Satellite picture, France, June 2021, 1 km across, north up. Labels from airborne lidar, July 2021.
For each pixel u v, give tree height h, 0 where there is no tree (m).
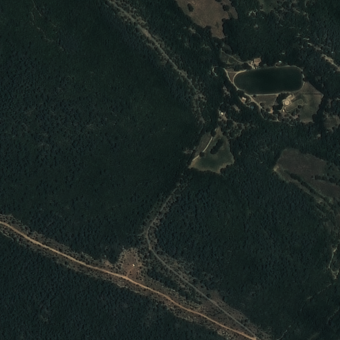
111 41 8
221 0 12
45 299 14
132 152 6
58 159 13
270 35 9
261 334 6
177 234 17
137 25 13
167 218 14
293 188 15
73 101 11
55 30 8
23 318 8
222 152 0
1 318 16
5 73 9
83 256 17
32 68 6
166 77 17
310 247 14
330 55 8
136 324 7
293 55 12
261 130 10
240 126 9
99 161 8
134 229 6
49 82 6
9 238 6
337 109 19
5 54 9
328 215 6
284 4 7
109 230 8
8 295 18
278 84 0
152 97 7
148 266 12
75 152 6
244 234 6
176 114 7
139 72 9
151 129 12
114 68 6
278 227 6
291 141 10
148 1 11
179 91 19
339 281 9
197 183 7
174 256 15
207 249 17
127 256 0
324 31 15
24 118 12
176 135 9
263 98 0
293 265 8
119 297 13
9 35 16
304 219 12
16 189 6
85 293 17
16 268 15
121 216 6
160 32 8
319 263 9
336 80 8
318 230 15
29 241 9
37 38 6
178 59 8
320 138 12
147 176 8
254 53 11
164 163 10
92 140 11
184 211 15
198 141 14
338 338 8
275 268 15
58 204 15
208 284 16
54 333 16
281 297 8
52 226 17
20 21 8
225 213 11
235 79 0
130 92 6
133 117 12
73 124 11
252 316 6
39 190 7
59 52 7
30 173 10
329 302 10
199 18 0
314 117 13
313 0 7
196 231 15
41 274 16
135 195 15
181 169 12
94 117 12
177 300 0
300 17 7
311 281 8
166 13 8
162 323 13
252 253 14
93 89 6
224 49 9
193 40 10
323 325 5
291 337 15
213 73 11
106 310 12
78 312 14
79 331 16
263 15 6
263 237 13
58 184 6
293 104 0
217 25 0
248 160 15
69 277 13
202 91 9
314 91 0
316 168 0
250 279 9
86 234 17
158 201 7
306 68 8
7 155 13
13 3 6
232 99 9
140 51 17
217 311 7
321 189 0
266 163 8
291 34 8
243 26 7
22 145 17
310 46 14
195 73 11
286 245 13
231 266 6
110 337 9
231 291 14
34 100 10
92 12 8
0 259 17
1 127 14
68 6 8
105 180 8
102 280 11
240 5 8
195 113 8
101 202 6
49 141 14
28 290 15
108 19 13
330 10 13
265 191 12
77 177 6
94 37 8
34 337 6
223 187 8
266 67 0
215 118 9
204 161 0
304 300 8
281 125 7
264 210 9
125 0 9
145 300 13
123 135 6
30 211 6
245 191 11
